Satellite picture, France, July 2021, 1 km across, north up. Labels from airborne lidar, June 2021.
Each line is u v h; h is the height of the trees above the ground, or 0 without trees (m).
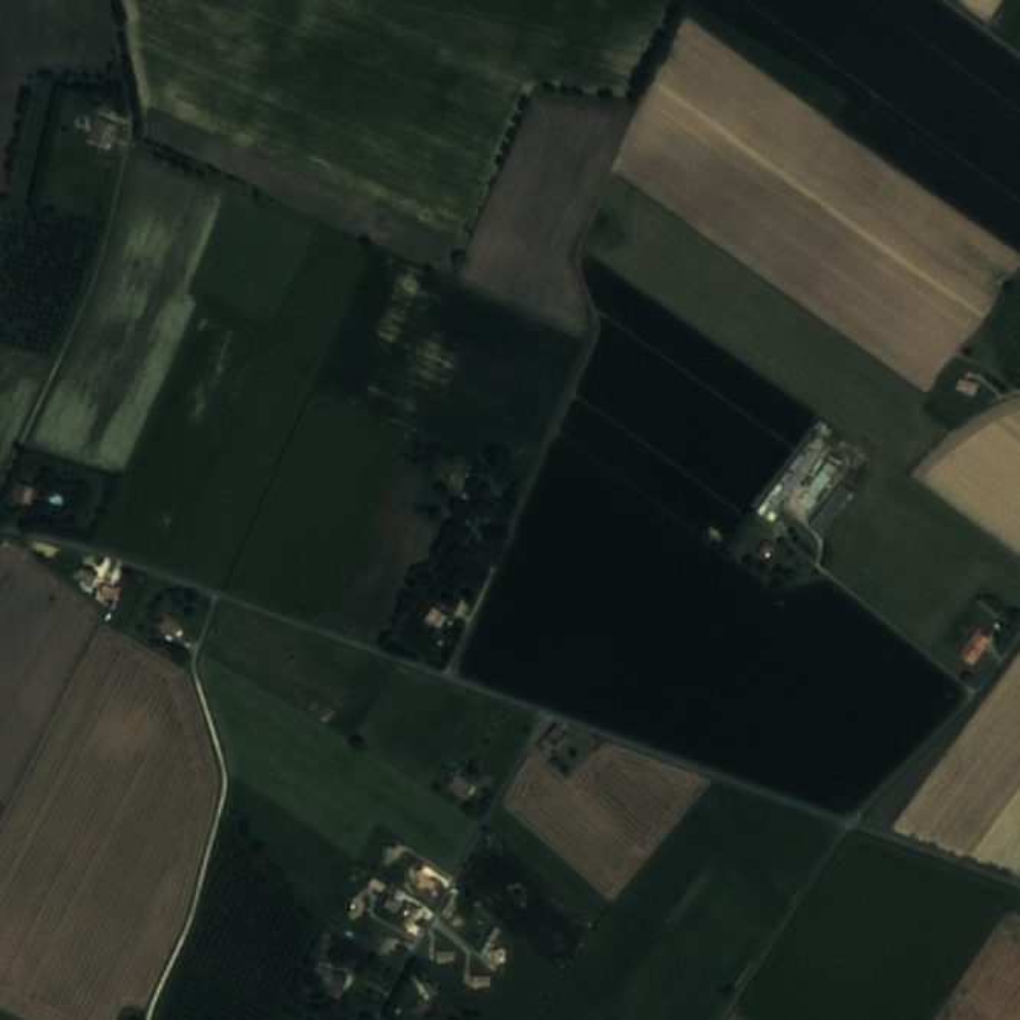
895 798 0
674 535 0
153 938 0
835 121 0
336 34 0
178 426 0
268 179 0
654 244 0
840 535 0
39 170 11
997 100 0
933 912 0
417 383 0
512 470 29
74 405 0
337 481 0
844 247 0
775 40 0
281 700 0
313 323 0
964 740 0
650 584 0
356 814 0
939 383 0
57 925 0
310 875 0
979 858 0
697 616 0
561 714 0
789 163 0
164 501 0
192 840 0
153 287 0
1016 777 0
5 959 0
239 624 0
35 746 0
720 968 0
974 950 0
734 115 0
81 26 0
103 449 0
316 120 0
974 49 0
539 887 0
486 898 0
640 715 0
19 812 0
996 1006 0
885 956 0
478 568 30
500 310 0
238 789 0
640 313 0
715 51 0
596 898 0
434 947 0
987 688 0
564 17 0
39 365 0
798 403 0
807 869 0
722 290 0
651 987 0
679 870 0
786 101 0
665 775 0
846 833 0
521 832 0
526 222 0
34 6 0
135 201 0
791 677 0
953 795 0
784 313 0
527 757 0
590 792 0
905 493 0
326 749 0
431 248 0
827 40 0
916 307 0
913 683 0
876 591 0
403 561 0
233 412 0
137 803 0
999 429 0
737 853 0
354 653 0
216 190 0
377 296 0
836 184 0
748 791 0
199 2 0
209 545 0
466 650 0
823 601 0
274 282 0
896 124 0
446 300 0
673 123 0
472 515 18
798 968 0
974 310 0
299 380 0
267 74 0
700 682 0
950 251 0
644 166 0
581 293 0
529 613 0
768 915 0
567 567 0
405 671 0
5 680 0
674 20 19
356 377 0
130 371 0
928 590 0
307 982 8
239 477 0
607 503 0
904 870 0
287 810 0
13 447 0
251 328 0
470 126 0
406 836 0
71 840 0
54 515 8
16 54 0
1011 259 0
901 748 0
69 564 0
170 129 0
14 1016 0
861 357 0
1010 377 8
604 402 0
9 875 0
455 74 0
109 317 0
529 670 0
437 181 0
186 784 0
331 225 0
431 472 7
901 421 0
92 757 0
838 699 0
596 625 0
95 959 0
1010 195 0
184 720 0
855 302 0
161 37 0
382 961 7
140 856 0
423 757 0
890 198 0
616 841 0
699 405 0
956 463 0
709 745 0
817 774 0
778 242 0
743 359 0
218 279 0
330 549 0
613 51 0
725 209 0
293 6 0
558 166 0
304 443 0
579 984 0
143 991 0
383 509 0
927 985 0
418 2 0
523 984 0
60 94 11
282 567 0
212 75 0
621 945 0
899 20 0
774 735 0
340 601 0
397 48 0
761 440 0
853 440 0
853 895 0
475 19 0
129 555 0
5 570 0
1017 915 0
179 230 0
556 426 0
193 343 0
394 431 0
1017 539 0
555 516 0
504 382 0
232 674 0
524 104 12
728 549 10
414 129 0
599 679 0
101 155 0
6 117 0
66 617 0
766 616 0
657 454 0
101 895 0
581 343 0
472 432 0
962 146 0
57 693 0
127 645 0
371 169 0
